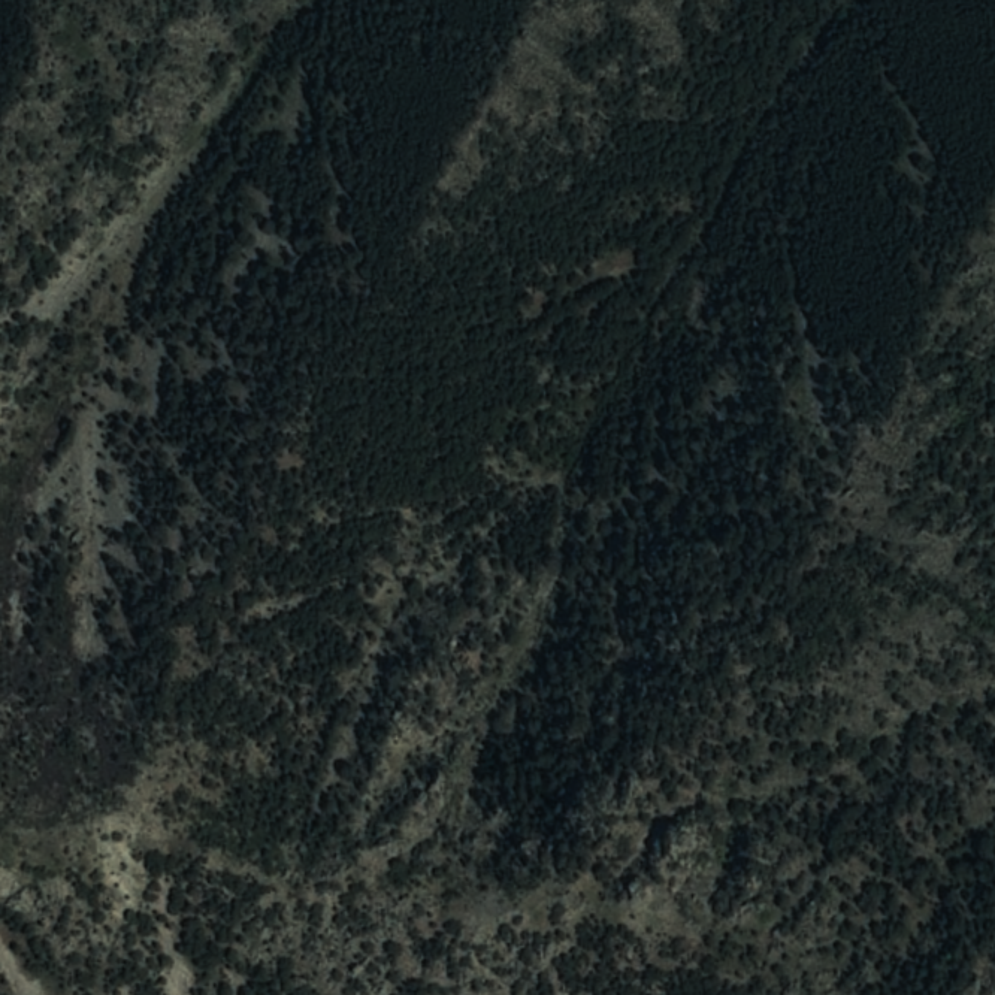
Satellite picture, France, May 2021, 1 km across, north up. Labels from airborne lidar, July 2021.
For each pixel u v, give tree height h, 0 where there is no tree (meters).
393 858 6
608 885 9
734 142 28
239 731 11
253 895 13
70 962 19
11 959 0
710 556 13
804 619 22
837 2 17
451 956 11
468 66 13
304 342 14
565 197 19
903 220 15
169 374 18
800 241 19
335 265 26
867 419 12
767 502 29
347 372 19
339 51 23
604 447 24
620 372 10
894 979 24
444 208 8
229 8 22
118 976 12
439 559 7
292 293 29
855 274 16
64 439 15
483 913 0
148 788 0
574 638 18
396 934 6
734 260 21
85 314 7
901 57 20
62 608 12
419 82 15
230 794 13
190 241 17
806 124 23
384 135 23
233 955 21
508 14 11
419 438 22
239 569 9
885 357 14
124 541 20
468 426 20
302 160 24
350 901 13
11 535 8
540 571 26
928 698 0
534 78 0
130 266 0
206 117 0
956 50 21
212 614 21
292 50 21
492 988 16
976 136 19
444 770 12
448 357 22
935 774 10
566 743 6
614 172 18
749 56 28
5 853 0
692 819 21
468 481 13
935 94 19
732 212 14
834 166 24
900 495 15
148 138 26
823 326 19
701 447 21
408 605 10
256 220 13
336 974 21
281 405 15
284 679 10
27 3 13
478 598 15
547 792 7
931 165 20
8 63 23
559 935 17
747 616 13
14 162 16
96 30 20
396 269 14
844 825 25
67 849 5
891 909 23
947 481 28
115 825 0
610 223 20
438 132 14
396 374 28
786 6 24
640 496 23
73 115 21
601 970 20
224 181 21
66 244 25
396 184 18
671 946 7
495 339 25
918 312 17
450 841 9
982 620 9
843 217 19
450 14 20
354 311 17
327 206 19
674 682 15
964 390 31
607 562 41
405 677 7
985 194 15
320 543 17
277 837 10
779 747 26
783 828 9
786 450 14
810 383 0
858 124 22
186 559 10
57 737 9
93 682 16
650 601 31
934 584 14
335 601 24
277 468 12
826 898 11
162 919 17
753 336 15
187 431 10
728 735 32
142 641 18
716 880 9
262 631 19
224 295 26
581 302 27
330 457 19
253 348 19
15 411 7
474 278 24
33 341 6
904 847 13
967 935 16
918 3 19
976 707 17
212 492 18
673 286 12
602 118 7
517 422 10
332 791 10
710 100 17
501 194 15
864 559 24
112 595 16
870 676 14
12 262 7
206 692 16
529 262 19
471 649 28
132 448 13
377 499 26
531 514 18
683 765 8
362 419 12
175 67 10
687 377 24
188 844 0
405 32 20
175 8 17
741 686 8
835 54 31
